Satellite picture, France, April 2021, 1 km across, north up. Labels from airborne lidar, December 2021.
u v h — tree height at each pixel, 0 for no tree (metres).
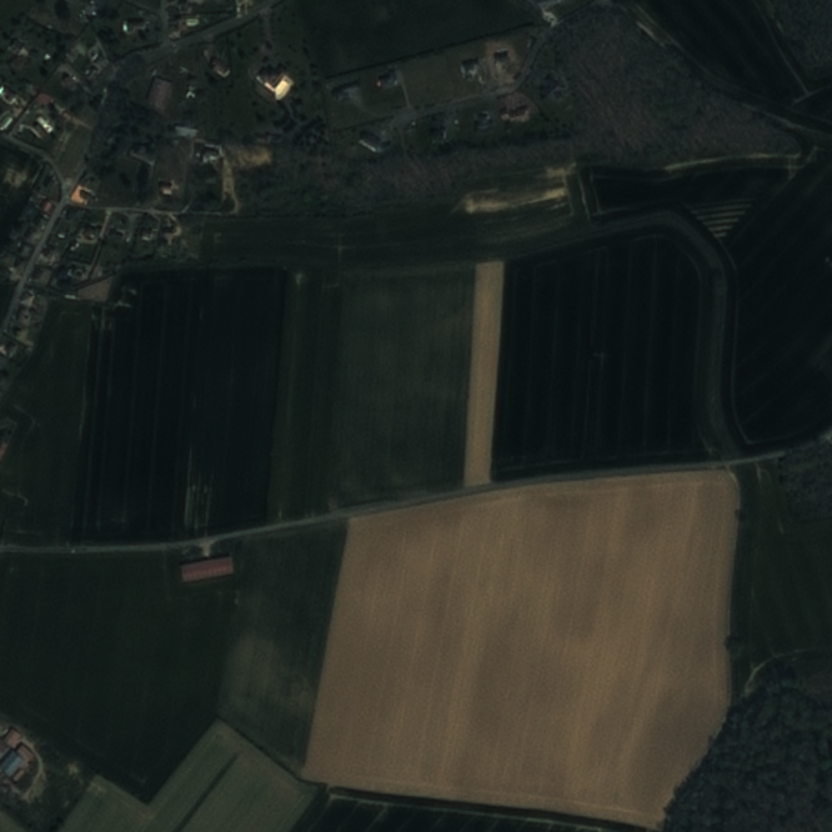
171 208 16
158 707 0
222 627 0
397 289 0
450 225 0
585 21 18
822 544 0
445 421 0
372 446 0
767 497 0
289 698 0
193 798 0
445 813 0
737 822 26
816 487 6
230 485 0
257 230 0
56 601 0
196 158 0
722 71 0
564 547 0
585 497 0
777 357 0
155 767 0
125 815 0
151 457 0
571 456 0
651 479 0
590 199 0
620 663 0
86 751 0
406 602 0
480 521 0
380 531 0
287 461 0
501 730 0
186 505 0
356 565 0
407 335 0
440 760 0
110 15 12
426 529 0
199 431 0
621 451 0
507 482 0
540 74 0
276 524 0
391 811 0
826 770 15
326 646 0
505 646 0
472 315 0
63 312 0
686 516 0
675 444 0
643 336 0
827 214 0
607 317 0
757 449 0
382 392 0
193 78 10
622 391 0
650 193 0
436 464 0
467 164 20
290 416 0
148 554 0
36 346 0
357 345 0
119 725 0
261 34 7
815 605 0
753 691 0
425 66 0
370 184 18
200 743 0
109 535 0
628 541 0
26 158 0
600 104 22
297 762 0
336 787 0
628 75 21
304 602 0
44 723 0
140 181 0
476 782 0
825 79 0
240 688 0
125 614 0
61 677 0
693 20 0
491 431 0
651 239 0
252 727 0
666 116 23
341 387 0
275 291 0
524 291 0
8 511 0
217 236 0
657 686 0
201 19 0
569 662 0
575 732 0
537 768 0
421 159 14
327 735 0
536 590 0
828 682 0
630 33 19
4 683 0
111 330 0
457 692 0
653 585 0
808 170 0
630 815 0
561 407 0
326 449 0
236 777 0
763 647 0
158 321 0
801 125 0
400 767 0
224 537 0
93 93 18
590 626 0
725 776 23
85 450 0
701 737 0
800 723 29
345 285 0
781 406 0
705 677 0
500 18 0
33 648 0
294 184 15
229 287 0
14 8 0
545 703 0
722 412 0
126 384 0
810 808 27
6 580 0
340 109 0
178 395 0
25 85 7
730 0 0
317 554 0
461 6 0
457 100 0
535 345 0
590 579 0
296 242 0
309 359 0
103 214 0
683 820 16
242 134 0
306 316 0
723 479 0
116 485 0
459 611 0
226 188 0
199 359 0
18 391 0
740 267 0
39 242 0
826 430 0
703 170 0
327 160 12
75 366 0
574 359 0
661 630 0
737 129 19
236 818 0
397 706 0
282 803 0
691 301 0
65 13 20
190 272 0
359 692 0
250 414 0
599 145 15
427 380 0
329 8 0
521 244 0
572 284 0
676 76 19
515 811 0
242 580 0
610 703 0
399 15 0
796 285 0
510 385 0
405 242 0
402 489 0
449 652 0
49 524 0
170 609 0
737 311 0
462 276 0
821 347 0
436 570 0
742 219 0
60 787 0
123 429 0
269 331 0
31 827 8
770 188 0
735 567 0
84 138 0
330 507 0
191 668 0
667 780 0
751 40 0
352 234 0
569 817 0
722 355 0
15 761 0
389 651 0
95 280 0
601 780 0
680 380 0
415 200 13
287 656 0
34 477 0
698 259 0
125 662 0
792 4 12
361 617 0
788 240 0
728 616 0
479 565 0
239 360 0
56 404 0
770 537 0
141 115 16
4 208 0
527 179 0
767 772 21
